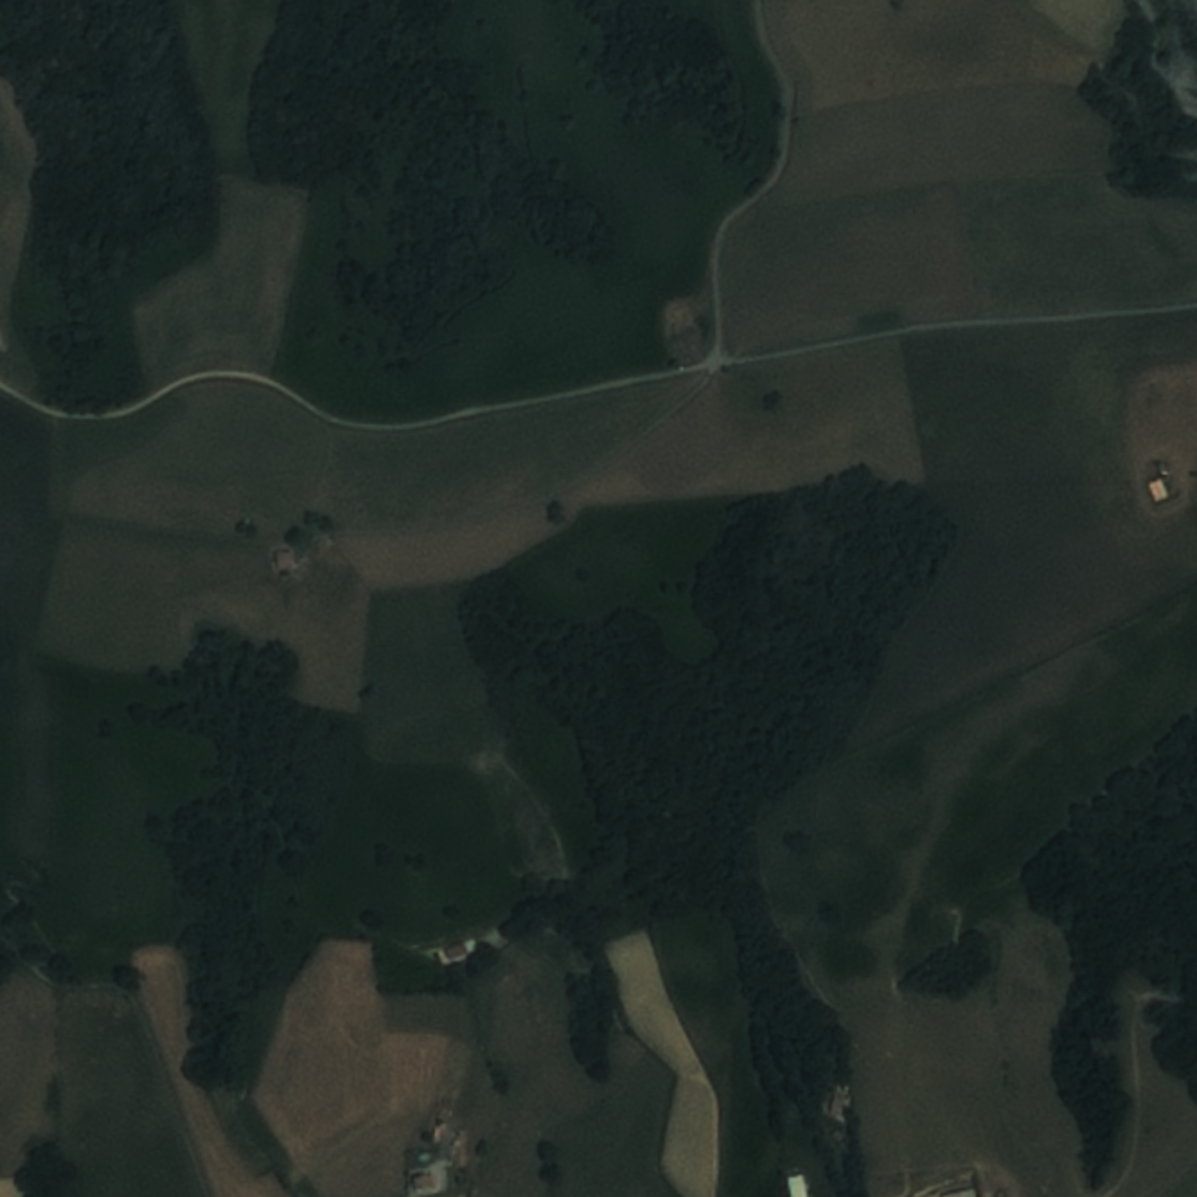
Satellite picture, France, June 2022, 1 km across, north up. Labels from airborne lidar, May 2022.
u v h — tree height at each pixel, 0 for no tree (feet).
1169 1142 0
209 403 0
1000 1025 0
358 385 0
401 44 84
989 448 0
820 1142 26
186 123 28
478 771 0
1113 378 0
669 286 0
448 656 0
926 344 0
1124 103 20
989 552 0
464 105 58
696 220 0
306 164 25
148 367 0
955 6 0
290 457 0
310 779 19
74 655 0
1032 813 0
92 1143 0
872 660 25
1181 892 76
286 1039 0
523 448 0
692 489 0
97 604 0
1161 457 0
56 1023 0
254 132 22
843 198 0
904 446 0
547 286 0
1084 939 62
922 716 0
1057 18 0
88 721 0
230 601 0
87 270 53
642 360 0
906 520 20
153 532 0
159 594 0
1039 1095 0
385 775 0
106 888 0
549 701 43
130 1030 0
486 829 0
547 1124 0
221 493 0
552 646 33
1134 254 0
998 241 0
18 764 0
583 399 0
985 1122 0
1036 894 41
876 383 0
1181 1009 51
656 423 0
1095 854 77
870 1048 0
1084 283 0
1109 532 0
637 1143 0
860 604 29
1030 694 0
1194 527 0
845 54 0
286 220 0
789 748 41
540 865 0
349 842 0
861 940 0
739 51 0
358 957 0
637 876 54
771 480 0
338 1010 0
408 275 74
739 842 68
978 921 0
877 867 0
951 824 0
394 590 0
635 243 0
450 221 39
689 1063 0
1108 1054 72
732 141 52
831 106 0
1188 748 50
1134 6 39
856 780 0
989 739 0
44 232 26
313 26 74
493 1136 0
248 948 36
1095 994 68
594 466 0
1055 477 0
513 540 0
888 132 0
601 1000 84
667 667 46
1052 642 0
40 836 0
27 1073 0
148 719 35
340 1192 0
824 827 0
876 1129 0
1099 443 0
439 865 0
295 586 0
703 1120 0
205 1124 0
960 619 0
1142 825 22
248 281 0
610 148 0
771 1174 0
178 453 0
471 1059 0
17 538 0
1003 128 0
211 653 66
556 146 0
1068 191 0
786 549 52
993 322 0
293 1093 0
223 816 21
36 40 44
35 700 0
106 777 0
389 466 0
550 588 0
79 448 0
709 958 0
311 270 0
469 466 0
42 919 0
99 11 63
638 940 0
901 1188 0
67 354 40
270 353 0
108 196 84
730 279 0
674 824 60
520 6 0
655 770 65
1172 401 0
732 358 0
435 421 0
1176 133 20
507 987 0
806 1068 54
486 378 0
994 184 0
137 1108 0
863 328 0
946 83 0
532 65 0
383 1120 0
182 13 0
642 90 56
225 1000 93
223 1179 0
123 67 57
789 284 0
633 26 78
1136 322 0
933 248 0
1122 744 0
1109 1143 44
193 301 0
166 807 0
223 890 49
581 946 55
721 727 38
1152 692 0
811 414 0
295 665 30
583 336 0
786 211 0
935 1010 0
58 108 62
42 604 0
